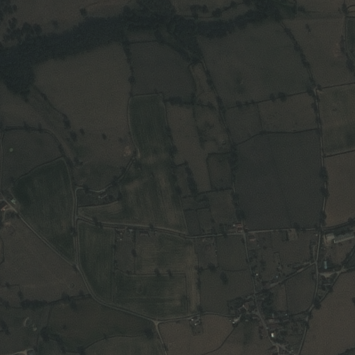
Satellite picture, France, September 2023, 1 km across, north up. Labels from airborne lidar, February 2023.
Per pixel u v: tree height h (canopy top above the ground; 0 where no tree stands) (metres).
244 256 0
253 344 0
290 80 0
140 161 0
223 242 0
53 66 0
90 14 0
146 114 0
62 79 0
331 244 0
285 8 0
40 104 0
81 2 0
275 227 0
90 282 0
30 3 0
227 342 0
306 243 0
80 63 0
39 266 0
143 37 0
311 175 0
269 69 0
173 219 0
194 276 0
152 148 0
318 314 0
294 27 0
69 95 0
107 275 0
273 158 0
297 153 0
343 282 0
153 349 0
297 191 0
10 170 0
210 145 0
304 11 18
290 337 0
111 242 0
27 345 0
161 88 0
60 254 0
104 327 0
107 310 0
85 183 0
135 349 0
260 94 0
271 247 0
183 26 25
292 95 0
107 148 0
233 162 19
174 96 0
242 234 0
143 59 0
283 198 0
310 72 0
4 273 0
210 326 0
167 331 0
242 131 0
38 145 0
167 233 0
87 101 0
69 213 0
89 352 0
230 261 0
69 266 0
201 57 7
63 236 0
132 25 7
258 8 17
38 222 0
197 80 0
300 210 0
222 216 0
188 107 0
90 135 0
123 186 0
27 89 24
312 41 0
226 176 0
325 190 12
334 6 0
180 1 0
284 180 0
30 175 0
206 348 0
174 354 0
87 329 0
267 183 0
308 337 0
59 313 0
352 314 0
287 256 0
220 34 22
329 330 0
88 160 0
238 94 0
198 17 11
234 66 0
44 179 0
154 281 0
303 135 0
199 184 0
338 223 0
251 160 0
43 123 0
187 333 0
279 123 0
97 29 24
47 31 0
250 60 0
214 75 0
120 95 0
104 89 0
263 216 0
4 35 9
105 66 0
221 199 0
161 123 0
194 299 0
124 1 0
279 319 8
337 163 0
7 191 0
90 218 0
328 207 0
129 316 0
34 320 0
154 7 17
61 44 21
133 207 0
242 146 0
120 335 0
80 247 0
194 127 0
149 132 0
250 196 0
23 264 0
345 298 0
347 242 0
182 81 0
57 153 0
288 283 0
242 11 0
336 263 0
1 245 0
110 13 0
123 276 0
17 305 0
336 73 0
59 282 0
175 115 0
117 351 0
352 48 0
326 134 0
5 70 25
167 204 0
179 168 0
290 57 0
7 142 0
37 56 23
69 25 0
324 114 0
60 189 0
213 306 0
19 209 0
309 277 0
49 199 0
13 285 0
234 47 0
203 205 0
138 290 0
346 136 0
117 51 0
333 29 0
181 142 0
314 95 13
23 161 0
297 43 11
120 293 0
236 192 0
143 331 0
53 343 0
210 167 0
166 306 0
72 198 0
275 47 0
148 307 0
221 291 0
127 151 0
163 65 0
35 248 0
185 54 18
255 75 0
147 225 0
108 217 0
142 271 0
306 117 0
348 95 0
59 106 0
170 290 0
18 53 20
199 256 0
